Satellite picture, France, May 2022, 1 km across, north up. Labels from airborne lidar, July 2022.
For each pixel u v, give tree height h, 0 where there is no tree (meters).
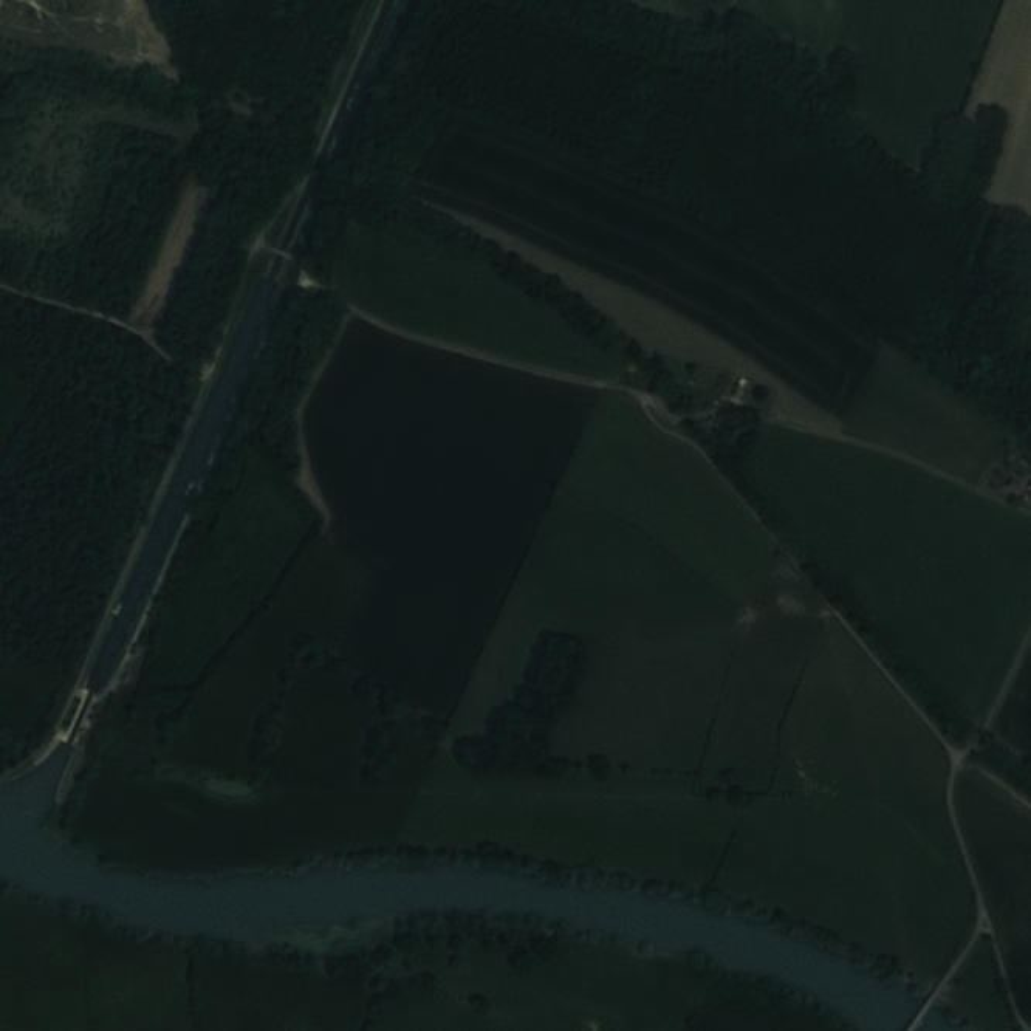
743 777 0
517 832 0
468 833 0
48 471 16
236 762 0
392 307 0
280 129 23
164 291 0
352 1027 0
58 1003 0
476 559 0
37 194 7
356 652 0
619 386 0
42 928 0
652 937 0
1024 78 0
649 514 0
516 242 0
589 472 0
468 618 0
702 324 0
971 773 0
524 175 0
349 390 0
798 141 11
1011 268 21
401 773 0
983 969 0
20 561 23
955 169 15
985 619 0
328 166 19
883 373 0
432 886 0
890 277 8
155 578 0
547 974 0
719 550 0
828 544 0
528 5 15
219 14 22
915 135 0
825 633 0
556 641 22
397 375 0
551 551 0
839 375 0
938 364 16
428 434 0
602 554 0
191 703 9
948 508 0
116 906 0
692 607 0
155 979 0
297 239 0
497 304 0
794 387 0
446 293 0
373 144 24
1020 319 21
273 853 0
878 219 10
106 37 0
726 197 11
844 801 0
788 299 0
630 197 0
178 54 16
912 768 0
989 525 0
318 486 0
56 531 22
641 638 0
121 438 27
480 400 0
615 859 0
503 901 0
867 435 0
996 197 0
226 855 0
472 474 0
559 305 12
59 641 16
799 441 0
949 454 0
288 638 0
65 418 23
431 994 20
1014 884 0
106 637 0
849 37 0
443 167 0
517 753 29
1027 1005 0
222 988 0
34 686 0
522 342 0
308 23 21
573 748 0
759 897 0
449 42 11
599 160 10
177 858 0
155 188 15
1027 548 0
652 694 0
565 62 10
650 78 12
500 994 0
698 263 0
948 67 0
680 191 14
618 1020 0
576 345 0
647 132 12
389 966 25
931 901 0
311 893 0
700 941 0
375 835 0
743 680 0
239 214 26
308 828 0
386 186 21
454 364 0
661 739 0
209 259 27
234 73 16
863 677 0
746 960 0
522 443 0
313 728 0
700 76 11
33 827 0
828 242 10
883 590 0
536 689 23
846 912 0
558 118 10
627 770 14
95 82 14
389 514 0
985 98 0
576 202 0
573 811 0
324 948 0
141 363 29
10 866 0
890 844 0
